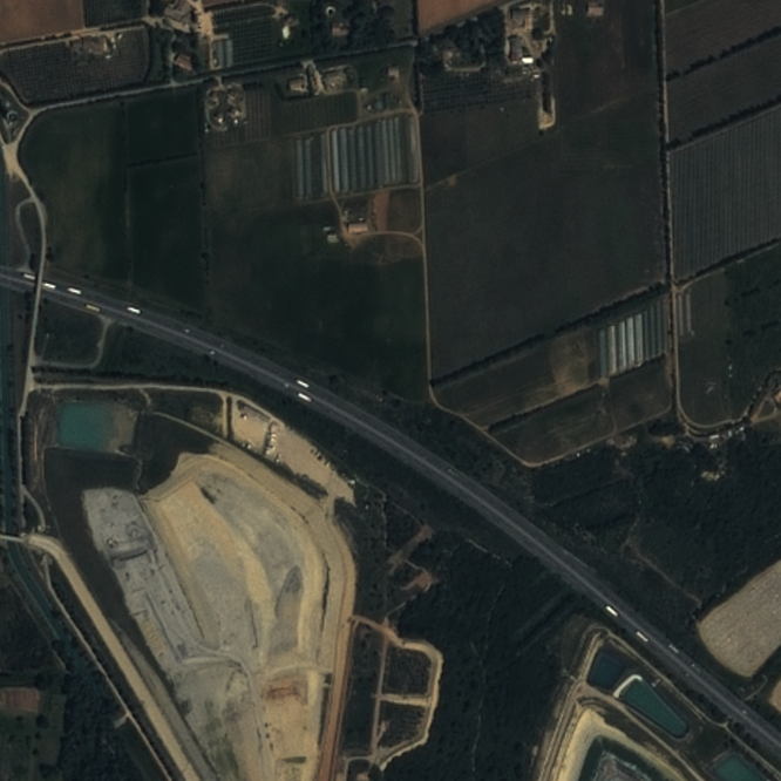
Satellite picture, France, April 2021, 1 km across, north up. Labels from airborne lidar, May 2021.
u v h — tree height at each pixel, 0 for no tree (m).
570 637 0
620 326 0
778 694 0
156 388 0
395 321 0
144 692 0
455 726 14
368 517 0
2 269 0
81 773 8
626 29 0
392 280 0
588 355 0
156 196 0
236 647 0
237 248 0
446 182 0
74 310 0
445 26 0
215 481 0
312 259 0
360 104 0
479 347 0
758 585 0
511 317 0
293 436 0
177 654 0
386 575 0
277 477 0
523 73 0
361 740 0
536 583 5
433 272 0
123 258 0
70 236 0
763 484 7
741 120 12
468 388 0
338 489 0
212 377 0
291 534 0
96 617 0
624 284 0
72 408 0
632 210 0
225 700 0
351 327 0
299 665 0
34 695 0
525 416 7
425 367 0
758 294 8
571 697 0
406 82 0
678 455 8
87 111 0
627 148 0
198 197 0
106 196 0
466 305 0
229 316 0
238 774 0
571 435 0
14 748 8
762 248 8
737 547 7
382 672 0
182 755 0
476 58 12
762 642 0
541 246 0
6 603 7
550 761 0
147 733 12
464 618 9
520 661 7
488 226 0
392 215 0
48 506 0
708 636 0
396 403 8
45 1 0
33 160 0
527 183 0
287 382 0
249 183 0
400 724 0
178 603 0
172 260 0
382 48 9
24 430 8
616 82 0
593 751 0
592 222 0
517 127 0
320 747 0
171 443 0
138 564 0
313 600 0
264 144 0
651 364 7
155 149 0
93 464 0
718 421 0
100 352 0
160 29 6
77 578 0
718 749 0
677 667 0
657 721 0
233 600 0
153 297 0
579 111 0
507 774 7
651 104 0
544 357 0
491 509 0
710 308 0
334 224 0
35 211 0
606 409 0
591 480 6
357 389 0
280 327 0
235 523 0
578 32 0
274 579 0
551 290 0
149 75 6
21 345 0
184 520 0
